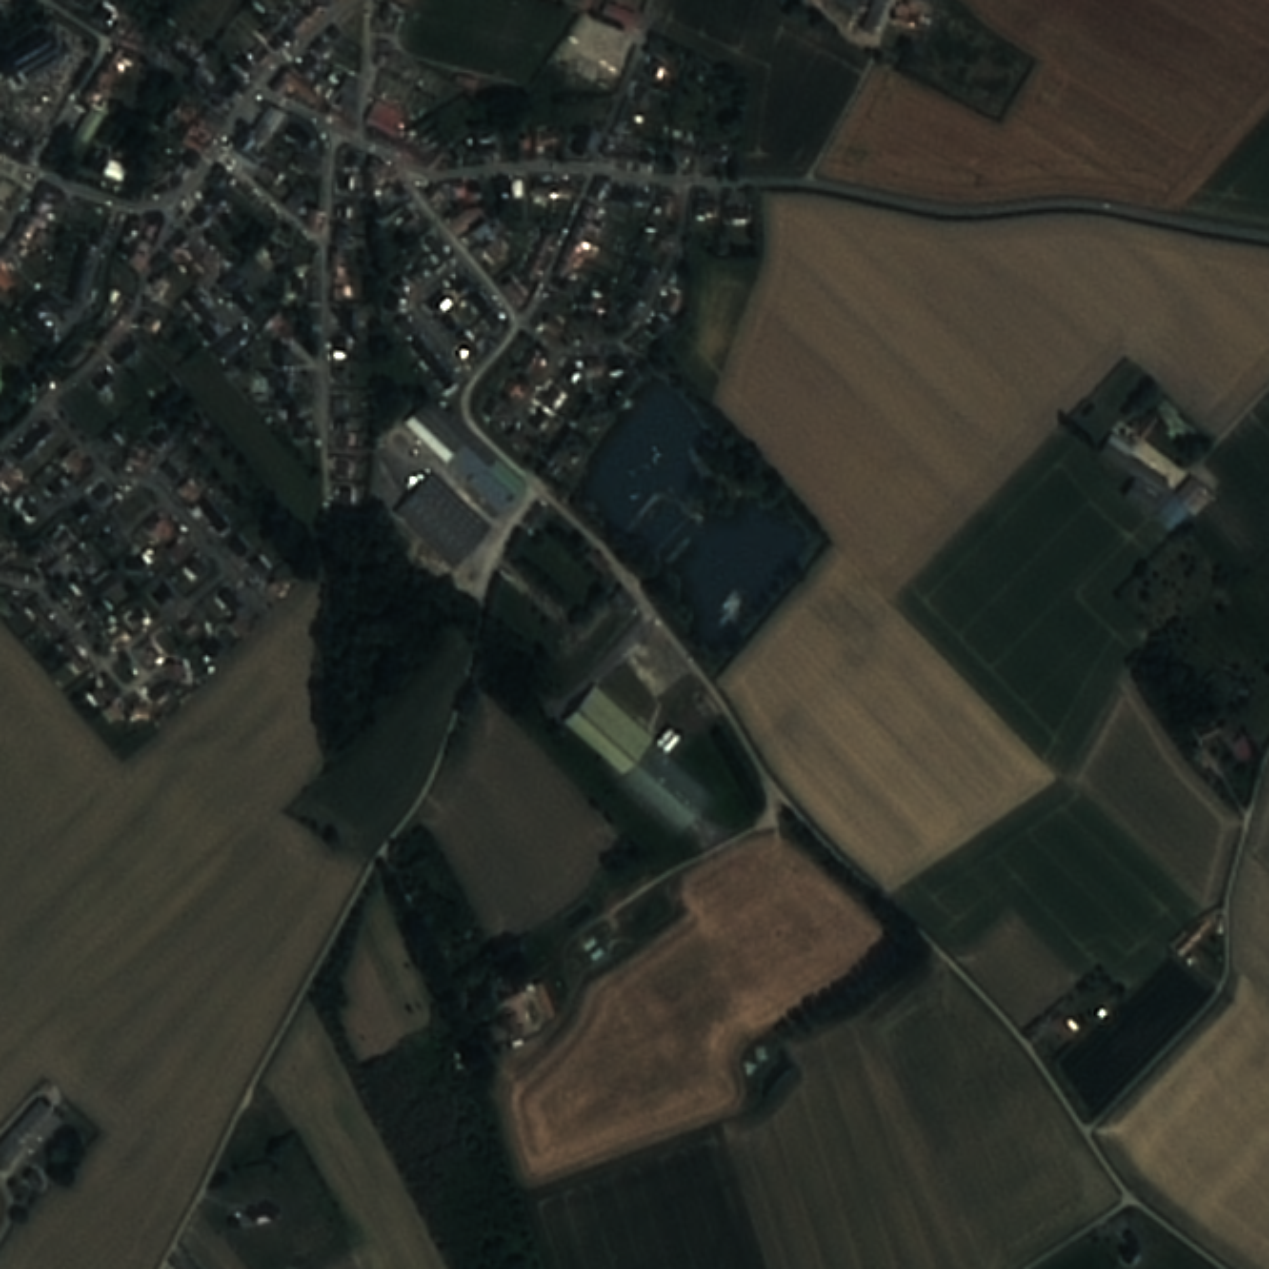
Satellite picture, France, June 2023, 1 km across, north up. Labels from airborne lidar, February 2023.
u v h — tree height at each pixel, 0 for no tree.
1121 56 0
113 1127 0
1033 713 0
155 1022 0
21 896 0
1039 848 0
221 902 0
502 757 0
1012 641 0
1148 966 0
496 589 7
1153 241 0
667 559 0
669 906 0
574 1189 0
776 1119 0
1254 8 0
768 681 0
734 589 0
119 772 0
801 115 0
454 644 0
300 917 0
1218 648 0
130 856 0
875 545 0
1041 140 0
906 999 0
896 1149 0
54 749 0
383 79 0
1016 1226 0
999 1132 0
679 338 0
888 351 0
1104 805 0
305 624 0
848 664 0
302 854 0
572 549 10
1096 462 0
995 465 0
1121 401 0
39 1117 0
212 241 10
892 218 0
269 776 0
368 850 0
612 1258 0
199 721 0
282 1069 0
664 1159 0
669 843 0
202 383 0
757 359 0
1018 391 0
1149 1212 0
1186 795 0
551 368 0
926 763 0
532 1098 0
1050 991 0
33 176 0
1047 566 0
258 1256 0
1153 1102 0
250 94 0
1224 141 0
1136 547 0
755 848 0
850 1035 0
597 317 6
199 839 0
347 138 0
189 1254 0
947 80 0
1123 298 0
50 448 0
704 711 0
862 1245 0
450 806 0
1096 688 0
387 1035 0
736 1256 0
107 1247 0
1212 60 0
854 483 0
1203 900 0
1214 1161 0
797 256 0
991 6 0
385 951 0
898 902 0
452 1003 29
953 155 0
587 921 0
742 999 0
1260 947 0
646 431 0
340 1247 0
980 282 0
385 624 13
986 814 0
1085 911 0
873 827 0
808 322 0
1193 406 0
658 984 0
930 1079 0
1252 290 0
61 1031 0
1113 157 0
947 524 0
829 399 0
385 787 0
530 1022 0
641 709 0
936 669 0
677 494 0
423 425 0
